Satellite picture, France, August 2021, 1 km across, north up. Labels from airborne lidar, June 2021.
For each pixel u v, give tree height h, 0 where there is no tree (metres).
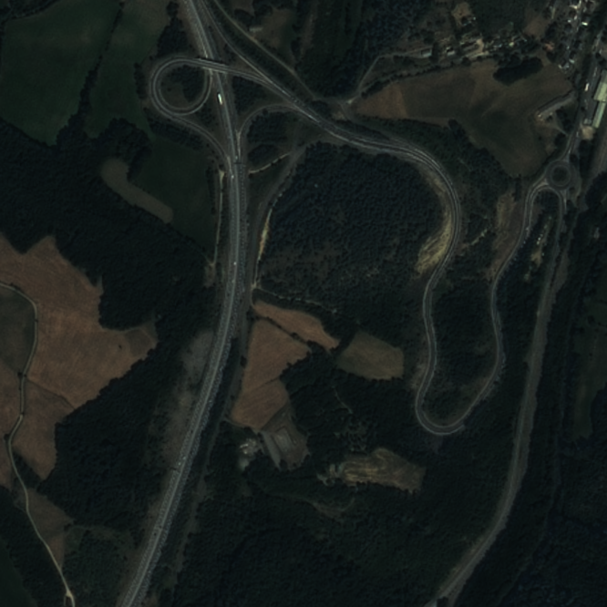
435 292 7
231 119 0
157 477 9
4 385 0
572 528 20
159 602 6
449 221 0
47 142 0
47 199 18
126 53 0
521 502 18
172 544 10
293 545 22
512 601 20
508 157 0
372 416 9
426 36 10
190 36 0
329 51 6
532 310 14
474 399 0
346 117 0
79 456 17
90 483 24
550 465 15
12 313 0
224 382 8
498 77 18
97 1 0
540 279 17
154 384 16
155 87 0
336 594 21
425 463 10
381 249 9
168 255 15
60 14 0
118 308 20
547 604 11
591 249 13
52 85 0
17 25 0
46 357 0
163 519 0
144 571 0
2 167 20
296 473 10
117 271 18
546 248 10
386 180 11
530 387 0
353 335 10
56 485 7
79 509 16
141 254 14
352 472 0
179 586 8
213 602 19
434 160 0
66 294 0
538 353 0
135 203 0
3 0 0
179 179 0
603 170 0
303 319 0
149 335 0
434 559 12
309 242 7
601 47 0
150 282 13
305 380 15
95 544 11
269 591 17
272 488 13
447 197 0
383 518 14
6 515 7
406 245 12
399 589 11
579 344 0
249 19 10
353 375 10
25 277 0
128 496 10
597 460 11
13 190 19
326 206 10
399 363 0
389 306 14
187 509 8
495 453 6
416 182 6
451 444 13
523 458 0
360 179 10
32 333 0
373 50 8
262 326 0
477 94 0
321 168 6
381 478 0
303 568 19
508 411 11
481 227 8
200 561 12
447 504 15
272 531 25
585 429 0
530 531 25
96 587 8
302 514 14
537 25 0
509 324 15
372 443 10
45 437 0
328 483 9
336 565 27
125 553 0
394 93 0
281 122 11
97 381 0
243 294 0
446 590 0
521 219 0
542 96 0
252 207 0
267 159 10
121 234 16
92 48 0
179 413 0
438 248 0
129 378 14
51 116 0
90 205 11
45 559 8
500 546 17
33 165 20
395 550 12
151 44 0
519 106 0
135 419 17
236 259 0
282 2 7
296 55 13
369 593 14
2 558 0
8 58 0
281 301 8
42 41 0
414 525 9
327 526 12
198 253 11
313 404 8
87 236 15
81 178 14
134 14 0
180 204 0
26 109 0
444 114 0
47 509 0
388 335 15
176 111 0
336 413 8
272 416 0
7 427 0
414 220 8
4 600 0
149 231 17
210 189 6
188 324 16
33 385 0
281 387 0
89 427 24
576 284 12
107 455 25
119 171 0
